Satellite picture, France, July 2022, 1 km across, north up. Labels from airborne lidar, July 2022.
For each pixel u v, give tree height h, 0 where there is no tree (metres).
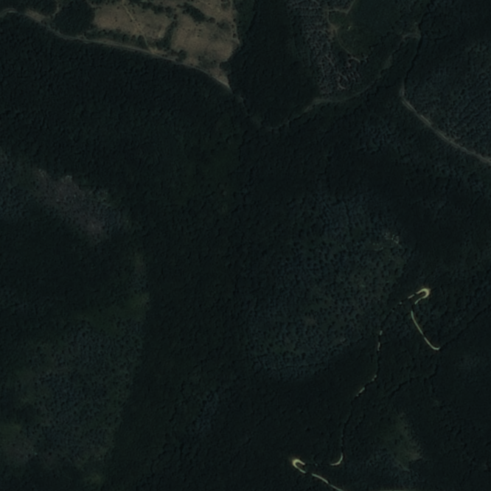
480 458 19
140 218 7
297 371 13
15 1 14
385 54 20
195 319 18
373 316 13
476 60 15
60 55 13
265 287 17
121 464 22
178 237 19
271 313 13
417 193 21
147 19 0
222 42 0
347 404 19
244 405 21
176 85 20
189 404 19
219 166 8
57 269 13
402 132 15
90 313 0
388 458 16
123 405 7
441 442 16
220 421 22
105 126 13
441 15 16
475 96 16
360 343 13
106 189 11
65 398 6
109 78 19
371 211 12
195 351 18
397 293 14
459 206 22
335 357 16
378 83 11
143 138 9
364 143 22
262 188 22
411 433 7
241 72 11
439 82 12
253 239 22
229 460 18
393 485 16
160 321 24
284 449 22
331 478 22
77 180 20
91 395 8
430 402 23
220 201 22
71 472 8
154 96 19
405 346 22
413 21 16
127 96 19
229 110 19
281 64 19
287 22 15
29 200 8
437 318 23
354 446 16
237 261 19
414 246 13
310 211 14
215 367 14
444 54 14
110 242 9
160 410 22
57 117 16
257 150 23
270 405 18
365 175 17
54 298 9
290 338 14
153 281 12
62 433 9
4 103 19
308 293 15
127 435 19
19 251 15
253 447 17
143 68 13
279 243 18
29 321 12
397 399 14
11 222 15
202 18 7
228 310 25
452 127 13
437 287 20
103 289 13
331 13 10
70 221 7
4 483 9
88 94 24
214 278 29
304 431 19
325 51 15
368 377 18
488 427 18
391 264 9
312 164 20
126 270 10
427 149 19
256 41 21
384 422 18
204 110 15
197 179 15
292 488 17
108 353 6
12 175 13
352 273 15
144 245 12
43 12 8
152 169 16
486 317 19
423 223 24
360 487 8
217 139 8
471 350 13
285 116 18
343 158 21
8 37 20
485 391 15
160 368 23
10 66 22
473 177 16
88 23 7
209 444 18
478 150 11
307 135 21
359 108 14
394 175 21
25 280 16
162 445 20
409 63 6
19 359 6
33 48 15
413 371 26
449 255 17
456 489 18
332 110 9
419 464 14
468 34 16
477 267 12
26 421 7
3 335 13
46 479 9
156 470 26
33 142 11
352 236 9
